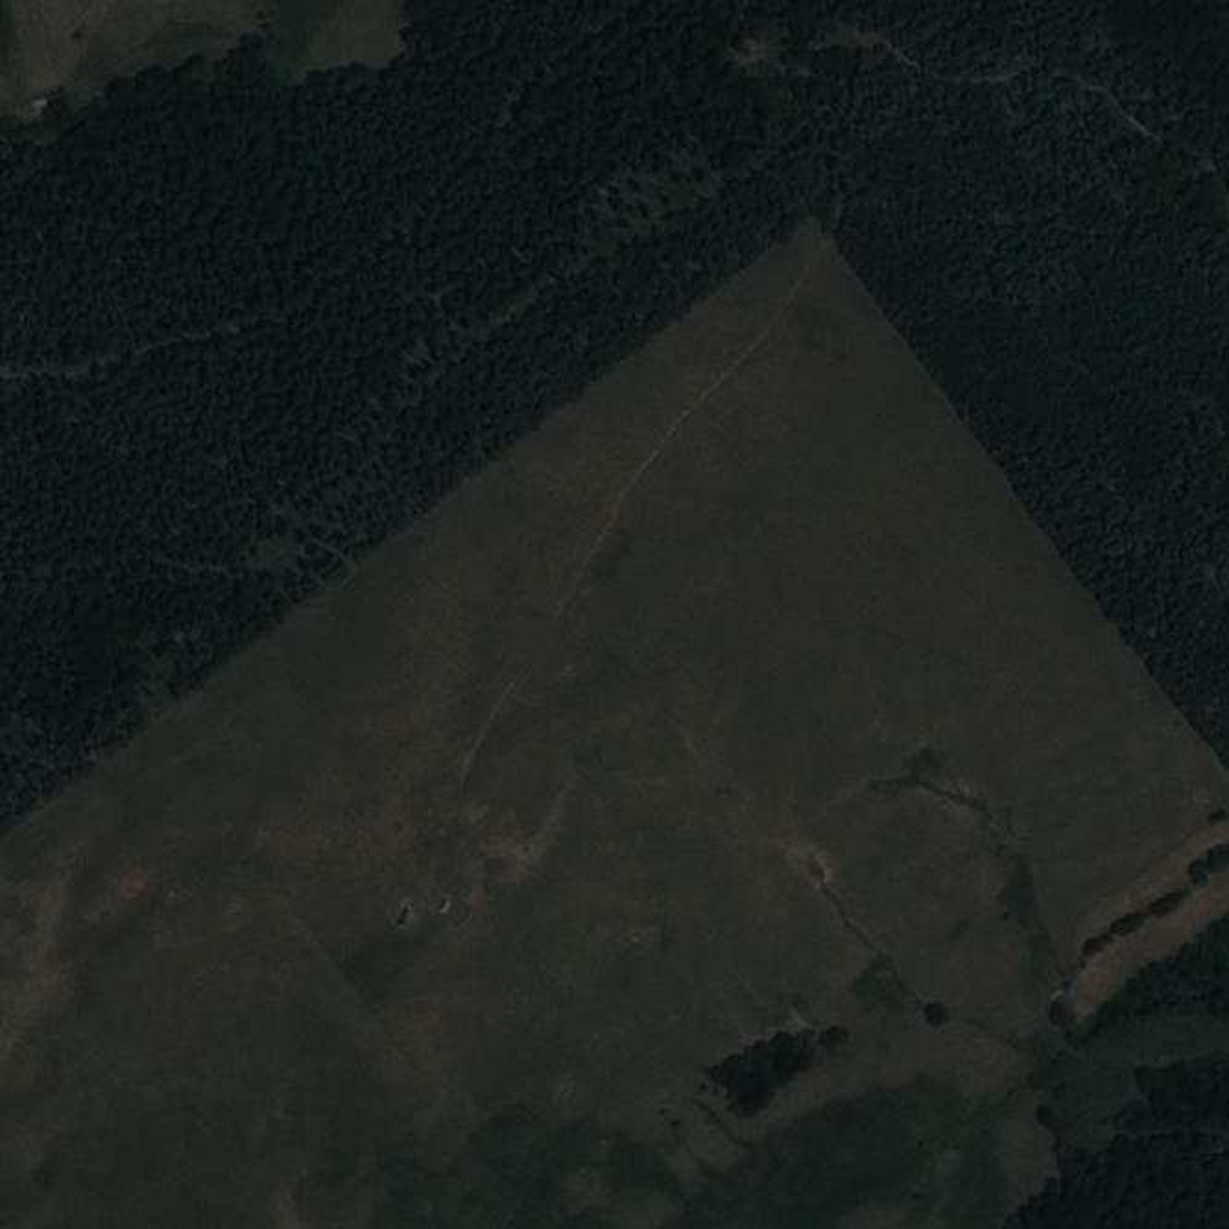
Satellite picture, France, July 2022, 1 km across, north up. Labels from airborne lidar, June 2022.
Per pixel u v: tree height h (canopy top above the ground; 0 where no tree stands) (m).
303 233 19
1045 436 17
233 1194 0
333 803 0
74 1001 0
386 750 0
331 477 26
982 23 15
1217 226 10
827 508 0
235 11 0
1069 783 0
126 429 19
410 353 24
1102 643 0
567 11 19
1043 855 0
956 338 12
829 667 0
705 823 0
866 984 0
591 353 15
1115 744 0
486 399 14
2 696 10
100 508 17
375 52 0
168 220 22
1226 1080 14
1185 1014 7
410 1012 0
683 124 18
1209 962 9
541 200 18
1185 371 9
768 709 0
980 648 0
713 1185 0
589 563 0
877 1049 0
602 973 0
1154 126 13
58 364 21
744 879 0
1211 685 24
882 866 0
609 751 0
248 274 23
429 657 0
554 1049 0
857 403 0
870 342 0
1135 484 13
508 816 0
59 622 15
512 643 0
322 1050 0
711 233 6
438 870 0
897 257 13
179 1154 0
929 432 0
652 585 0
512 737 0
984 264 7
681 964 0
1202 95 10
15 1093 0
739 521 0
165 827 0
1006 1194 0
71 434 21
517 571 0
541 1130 0
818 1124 0
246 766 0
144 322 18
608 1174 0
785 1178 0
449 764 0
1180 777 0
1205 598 18
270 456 25
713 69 17
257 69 14
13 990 0
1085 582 16
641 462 0
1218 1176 8
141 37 0
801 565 0
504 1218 0
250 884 0
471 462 17
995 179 8
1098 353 12
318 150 24
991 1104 0
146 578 16
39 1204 0
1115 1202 13
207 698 0
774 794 0
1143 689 0
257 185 16
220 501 19
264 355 20
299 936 0
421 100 23
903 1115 0
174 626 16
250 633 13
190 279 24
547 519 0
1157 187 16
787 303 0
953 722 0
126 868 0
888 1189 0
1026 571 0
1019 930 0
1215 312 11
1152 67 12
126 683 15
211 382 24
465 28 20
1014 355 13
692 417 0
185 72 14
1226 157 12
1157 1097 14
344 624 0
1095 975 0
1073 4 20
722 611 0
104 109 12
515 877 0
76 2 0
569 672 0
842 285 0
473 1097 0
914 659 0
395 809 0
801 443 0
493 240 18
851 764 0
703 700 0
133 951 0
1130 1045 0
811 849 0
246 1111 0
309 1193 0
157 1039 0
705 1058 0
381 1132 0
